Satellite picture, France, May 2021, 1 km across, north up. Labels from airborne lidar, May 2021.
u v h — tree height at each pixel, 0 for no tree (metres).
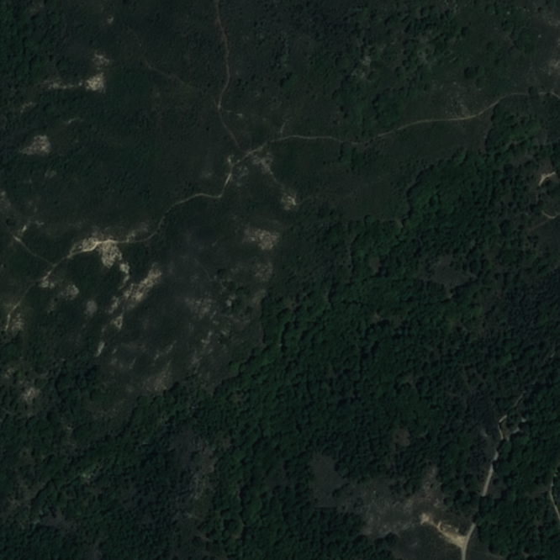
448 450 27
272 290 8
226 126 0
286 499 18
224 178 0
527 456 27
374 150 8
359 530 13
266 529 31
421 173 12
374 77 15
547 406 24
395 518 0
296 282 6
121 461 15
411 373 23
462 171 26
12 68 10
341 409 27
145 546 17
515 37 18
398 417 22
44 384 15
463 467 11
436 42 13
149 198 7
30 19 7
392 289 23
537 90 13
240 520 21
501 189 24
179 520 7
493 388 11
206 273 0
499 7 17
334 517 12
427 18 8
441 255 12
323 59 6
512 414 8
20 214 0
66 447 7
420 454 19
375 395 25
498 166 17
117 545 18
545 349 16
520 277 15
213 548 24
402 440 0
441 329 18
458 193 33
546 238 0
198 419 18
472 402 10
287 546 17
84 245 0
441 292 16
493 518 24
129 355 0
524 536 20
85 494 20
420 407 26
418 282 21
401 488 7
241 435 20
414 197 26
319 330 19
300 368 24
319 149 6
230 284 11
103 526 16
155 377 0
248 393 22
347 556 17
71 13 6
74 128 6
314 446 13
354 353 27
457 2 8
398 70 13
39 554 25
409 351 32
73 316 6
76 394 12
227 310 9
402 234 29
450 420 19
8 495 10
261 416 26
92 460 18
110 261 0
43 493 16
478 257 22
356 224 16
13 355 13
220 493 14
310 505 15
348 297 33
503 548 21
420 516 0
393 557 16
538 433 13
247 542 22
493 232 23
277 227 0
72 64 8
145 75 6
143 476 15
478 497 19
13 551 22
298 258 9
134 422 20
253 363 26
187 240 0
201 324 0
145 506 11
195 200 6
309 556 14
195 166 0
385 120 20
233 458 21
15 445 11
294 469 10
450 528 0
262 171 0
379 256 10
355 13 7
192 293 0
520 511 25
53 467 28
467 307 23
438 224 24
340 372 25
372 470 12
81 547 14
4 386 8
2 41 17
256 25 8
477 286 22
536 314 13
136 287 0
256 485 20
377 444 23
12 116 12
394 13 6
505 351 21
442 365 17
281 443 25
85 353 9
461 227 29
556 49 0
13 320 0
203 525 11
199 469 8
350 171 10
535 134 11
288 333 23
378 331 30
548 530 18
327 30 7
